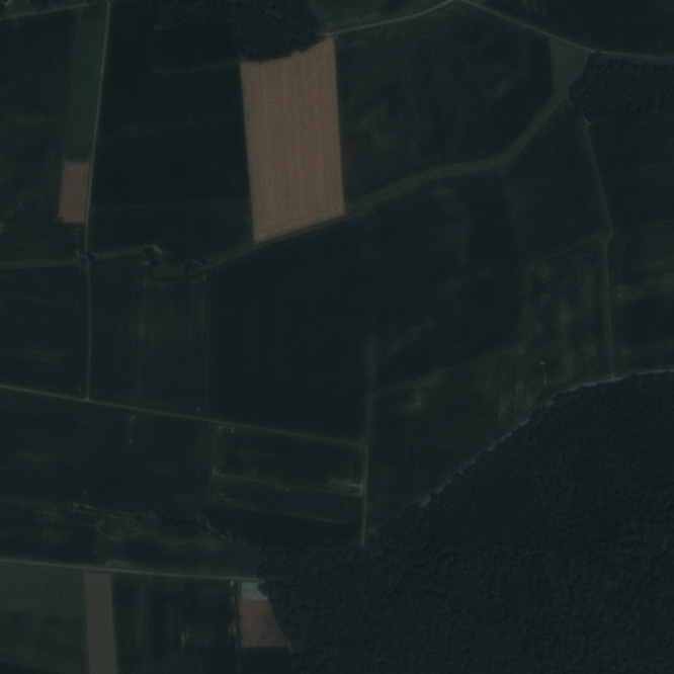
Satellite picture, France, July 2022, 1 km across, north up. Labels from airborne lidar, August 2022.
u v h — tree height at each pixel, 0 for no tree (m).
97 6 0
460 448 0
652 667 7
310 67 0
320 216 0
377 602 27
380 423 0
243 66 0
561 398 14
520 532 18
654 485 14
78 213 0
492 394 0
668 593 7
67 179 0
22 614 0
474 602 30
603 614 30
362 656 28
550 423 16
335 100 0
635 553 20
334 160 0
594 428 13
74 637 0
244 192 0
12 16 0
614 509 21
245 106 0
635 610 31
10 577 0
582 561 27
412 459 0
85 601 0
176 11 23
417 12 0
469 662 25
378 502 0
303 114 0
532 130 0
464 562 28
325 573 22
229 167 0
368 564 22
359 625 24
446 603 29
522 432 15
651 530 28
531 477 19
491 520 17
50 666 0
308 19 16
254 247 0
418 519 23
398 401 0
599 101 21
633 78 20
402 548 22
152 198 0
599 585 24
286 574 19
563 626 25
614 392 15
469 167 0
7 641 0
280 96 0
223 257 0
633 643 33
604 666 29
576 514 19
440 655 31
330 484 0
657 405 11
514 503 16
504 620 27
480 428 0
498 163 0
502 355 0
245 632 0
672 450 13
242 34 20
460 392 0
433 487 0
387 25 0
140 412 0
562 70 0
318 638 23
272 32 22
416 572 32
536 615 32
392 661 29
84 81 0
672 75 19
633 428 17
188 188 0
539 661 25
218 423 0
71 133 0
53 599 0
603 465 16
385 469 0
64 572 0
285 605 22
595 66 17
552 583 30
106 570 0
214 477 0
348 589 25
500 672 32
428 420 0
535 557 27
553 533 18
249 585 0
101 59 0
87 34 0
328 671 24
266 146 0
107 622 0
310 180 0
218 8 20
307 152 0
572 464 15
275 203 0
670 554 31
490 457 13
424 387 0
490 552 27
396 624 27
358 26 0
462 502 18
